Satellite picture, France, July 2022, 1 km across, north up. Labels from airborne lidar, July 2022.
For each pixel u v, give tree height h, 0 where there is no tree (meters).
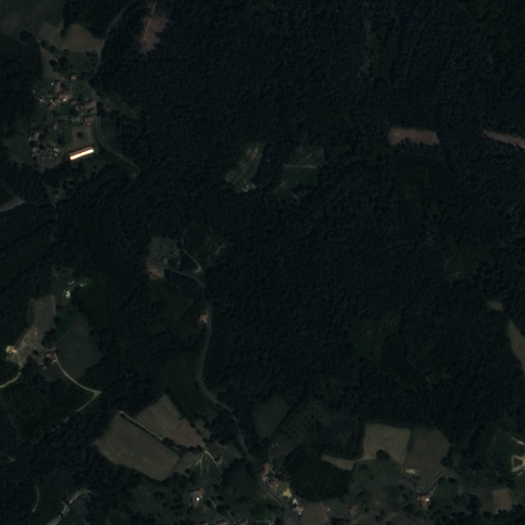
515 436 0
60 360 0
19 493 26
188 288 26
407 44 31
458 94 28
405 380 7
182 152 28
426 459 0
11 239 6
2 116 14
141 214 19
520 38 8
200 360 0
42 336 0
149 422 0
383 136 14
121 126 14
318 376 13
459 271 0
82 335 0
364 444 0
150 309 11
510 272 20
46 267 21
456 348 28
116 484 14
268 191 17
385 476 0
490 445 0
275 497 0
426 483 0
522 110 33
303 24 29
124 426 0
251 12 25
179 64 14
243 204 17
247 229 20
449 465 14
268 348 14
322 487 7
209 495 0
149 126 26
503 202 34
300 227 23
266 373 15
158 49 20
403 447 0
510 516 16
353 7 26
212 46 19
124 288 7
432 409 18
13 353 0
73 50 0
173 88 21
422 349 25
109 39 7
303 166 0
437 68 19
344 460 0
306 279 25
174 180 22
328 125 11
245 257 17
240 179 0
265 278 20
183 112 22
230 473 19
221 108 18
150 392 21
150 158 21
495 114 25
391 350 8
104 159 14
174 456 0
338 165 16
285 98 23
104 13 8
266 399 14
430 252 18
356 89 20
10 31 0
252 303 22
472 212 12
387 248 17
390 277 17
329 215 20
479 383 33
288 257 25
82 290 10
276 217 6
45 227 11
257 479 12
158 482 9
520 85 21
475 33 29
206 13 23
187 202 12
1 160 11
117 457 0
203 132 23
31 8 0
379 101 17
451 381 6
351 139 14
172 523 0
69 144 0
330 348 18
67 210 15
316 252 29
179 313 0
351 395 19
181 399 0
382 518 9
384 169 18
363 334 0
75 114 14
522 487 0
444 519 20
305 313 22
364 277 17
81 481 28
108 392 20
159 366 8
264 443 14
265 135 18
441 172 7
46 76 0
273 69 20
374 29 11
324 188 15
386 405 21
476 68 23
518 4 11
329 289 18
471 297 26
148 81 18
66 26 16
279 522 17
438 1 31
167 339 13
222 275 23
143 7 21
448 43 18
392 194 16
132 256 18
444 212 16
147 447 0
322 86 16
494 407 19
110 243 17
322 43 23
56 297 0
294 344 21
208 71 14
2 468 20
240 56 13
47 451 23
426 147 18
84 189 27
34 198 19
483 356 23
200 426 0
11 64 17
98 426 20
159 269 0
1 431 23
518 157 25
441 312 23
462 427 18
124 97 21
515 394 21
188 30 20
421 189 8
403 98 24
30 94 16
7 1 0
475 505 29
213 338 6
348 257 19
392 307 21
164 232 21
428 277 21
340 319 17
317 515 0
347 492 15
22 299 23
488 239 17
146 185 26
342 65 23
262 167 15
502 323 21
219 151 21
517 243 17
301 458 8
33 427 7
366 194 23
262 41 20
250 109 19
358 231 19
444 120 42
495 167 34
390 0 28
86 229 8
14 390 9
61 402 6
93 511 27
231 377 14
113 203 19
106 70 10
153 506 0
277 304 28
